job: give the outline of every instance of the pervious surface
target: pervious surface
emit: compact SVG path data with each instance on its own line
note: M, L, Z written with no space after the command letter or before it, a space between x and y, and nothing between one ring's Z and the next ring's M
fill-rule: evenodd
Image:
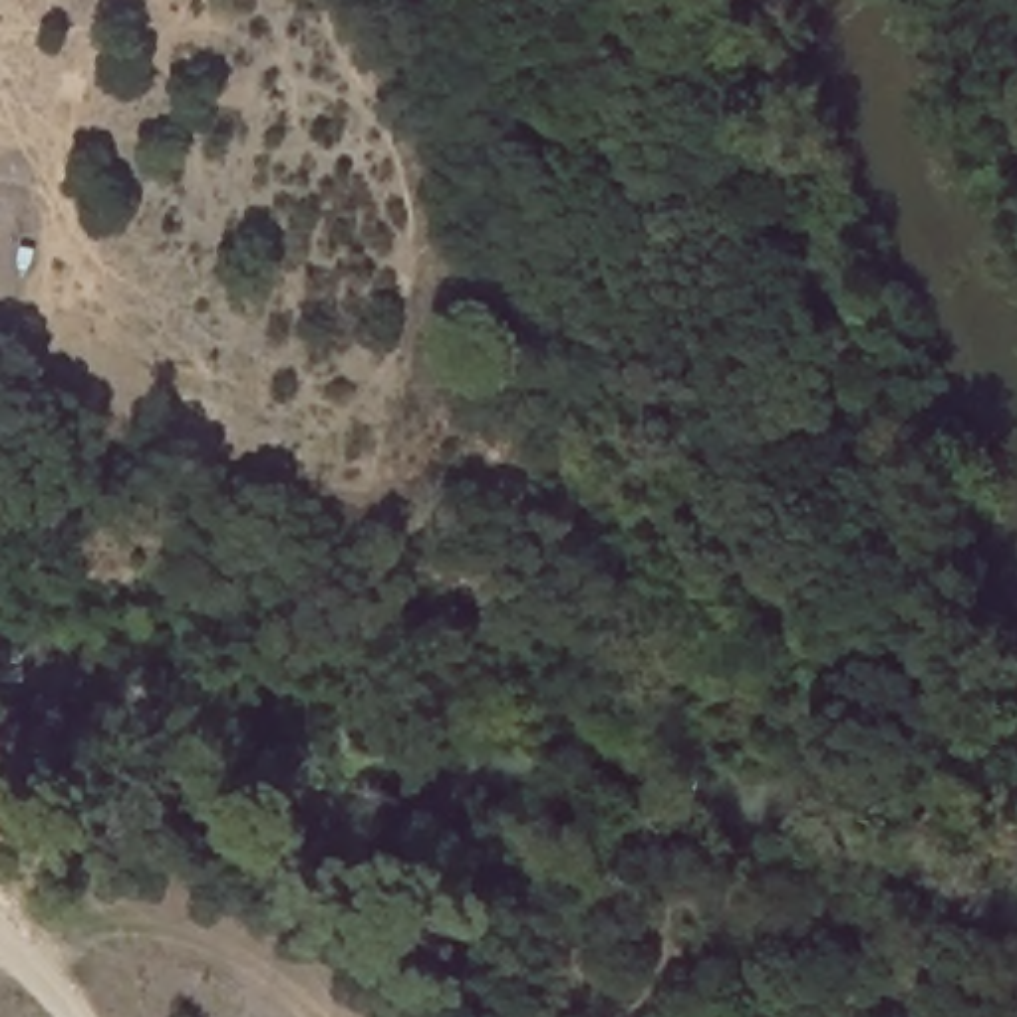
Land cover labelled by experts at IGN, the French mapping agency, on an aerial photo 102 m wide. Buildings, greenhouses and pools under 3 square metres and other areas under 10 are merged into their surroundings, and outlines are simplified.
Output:
M0 969L44 1005L44 1017L95 1017L83 989L68 977L72 961L64 957L64 945L56 938L28 918L16 894L0 886Z
M0 0L0 298L32 302L44 318L52 310L95 298L95 274L83 270L83 258L103 254L95 238L79 226L75 203L64 195L68 159L75 131L99 127L119 99L95 83L95 16L91 0Z

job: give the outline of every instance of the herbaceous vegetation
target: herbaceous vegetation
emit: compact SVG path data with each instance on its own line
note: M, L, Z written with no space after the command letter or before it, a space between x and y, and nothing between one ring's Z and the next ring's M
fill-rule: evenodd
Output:
M330 250L326 250L326 222L314 222L314 230L310 230L310 262L314 262L314 266L338 266L338 262L350 262L350 250L346 250L346 246L330 246Z
M326 965L278 961L274 938L254 938L238 918L199 926L187 906L187 886L167 886L159 902L135 898L127 906L135 914L131 934L79 934L75 926L64 926L56 938L64 945L64 957L72 961L68 977L83 989L95 1017L362 1017L334 1001Z
M151 0L91 0L95 16L123 32L131 44L155 52L155 28L147 16Z
M0 969L0 1017L44 1017L44 1005Z
M222 159L207 159L203 135L191 139L179 123L163 115L171 83L222 87L230 72L226 60L211 48L175 60L171 68L155 68L151 87L143 95L119 99L99 127L75 131L68 159L79 171L107 179L111 199L131 211L127 230L95 238L103 254L83 258L83 270L95 274L95 298L52 310L44 318L52 350L79 358L95 377L111 385L115 413L131 417L131 405L151 389L155 365L175 362L179 397L203 405L203 413L222 425L226 445L234 453L254 453L262 445L290 449L302 473L326 485L346 505L369 505L385 497L393 481L393 465L385 465L389 401L401 397L401 385L413 365L413 354L397 346L389 354L373 354L358 346L310 362L302 338L270 342L270 318L298 310L306 298L306 278L282 270L282 282L266 298L250 298L234 310L226 286L215 278L215 262L218 246L230 250L246 238L262 238L266 258L282 266L286 242L266 211L266 203L274 203L278 195L278 183L254 187L254 159L262 151L262 135L270 123L262 115L250 115L246 123L246 135L230 139ZM183 179L151 179L139 187L131 167L123 163L127 155L135 155L139 139L175 143L187 155Z

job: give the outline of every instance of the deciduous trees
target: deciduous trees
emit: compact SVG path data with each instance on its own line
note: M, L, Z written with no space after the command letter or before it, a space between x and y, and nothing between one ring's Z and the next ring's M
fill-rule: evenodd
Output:
M401 397L389 401L385 465L393 465L393 481L385 497L369 505L346 505L326 485L302 473L290 449L262 445L254 453L234 453L226 445L222 425L203 413L203 405L179 397L175 362L155 365L151 389L131 405L131 417L115 413L111 385L95 377L79 358L52 350L44 318L32 302L0 298L0 886L16 894L28 918L56 938L64 926L75 926L79 934L131 934L135 914L127 906L135 898L159 902L167 886L187 886L187 906L199 926L238 918L254 938L274 938L278 961L326 965L334 1001L362 1017L1017 1017L1017 381L1005 385L997 373L942 377L938 369L945 358L953 358L953 342L949 334L934 334L926 326L938 314L938 302L926 278L902 258L902 250L890 246L890 230L898 230L898 203L894 195L870 183L866 147L858 139L858 79L846 79L850 56L826 40L834 32L834 8L842 0L290 0L294 8L286 32L290 40L310 48L310 79L326 83L334 72L330 52L350 44L354 64L377 79L377 119L389 123L397 143L413 147L409 183L425 211L429 250L417 258L413 290L401 294L405 326L397 346L413 354L413 365L401 385Z
M222 87L171 83L163 115L179 123L191 139L203 135L207 159L222 159L230 139L246 135L246 123L238 111L226 111L218 103Z
M218 246L215 262L215 278L226 286L234 310L250 298L266 298L282 282L282 270L282 266L266 258L262 238L246 238L230 250Z
M250 28L250 36L266 36L266 32L270 32L270 24L262 20L262 8L258 8L254 0L218 0L218 4L222 4L222 8L226 8L226 12L230 12L230 16L234 16L234 20L238 20L242 28Z
M310 135L318 143L338 143L346 131L350 103L330 103L326 115L310 123Z
M151 87L155 68L155 52L131 44L123 32L95 16L95 83L119 99L143 95Z
M306 179L314 163L282 163L278 143L286 139L286 115L274 115L270 123L262 135L262 151L254 159L254 187L278 183L278 195L314 195Z
M79 226L95 238L127 230L131 211L111 199L107 179L79 171L68 159L64 195L75 203Z
M123 163L131 167L139 187L151 179L183 179L187 155L175 143L139 139L135 155L127 155Z
M898 48L898 64L914 75L910 95L898 99L890 115L898 115L902 135L922 147L930 171L926 183L934 187L934 195L945 207L969 207L973 246L965 254L973 258L977 286L1017 310L1017 0L850 0L854 16L870 16L882 24L886 40L894 40Z

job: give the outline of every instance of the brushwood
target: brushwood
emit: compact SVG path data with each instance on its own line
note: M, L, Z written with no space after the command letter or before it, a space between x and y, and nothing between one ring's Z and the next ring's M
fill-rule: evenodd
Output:
M429 250L425 211L409 183L413 147L397 143L389 123L377 119L377 79L354 64L350 44L330 52L334 72L326 83L310 79L310 48L290 40L286 32L294 8L290 0L254 0L258 8L262 8L262 20L270 24L270 32L266 32L266 36L250 36L250 28L242 28L238 20L234 20L234 16L230 16L230 12L226 12L226 8L222 8L222 4L218 4L218 0L151 0L147 16L155 28L155 52L155 68L171 68L175 60L211 48L226 60L230 72L222 87L218 103L226 111L238 111L246 123L250 115L262 115L270 123L274 115L286 115L286 139L278 143L282 163L314 163L306 179L314 195L278 195L274 203L266 203L266 211L286 242L282 266L282 270L306 278L306 298L298 310L270 318L270 342L302 338L310 362L358 346L373 354L389 354L397 346L405 326L401 294L413 290L417 258ZM318 143L310 135L310 123L326 115L330 103L350 103L346 131L338 143ZM314 266L314 262L310 262L310 230L314 230L314 222L326 222L326 250L330 250L330 246L346 246L346 250L350 250L350 262L338 262L338 266Z

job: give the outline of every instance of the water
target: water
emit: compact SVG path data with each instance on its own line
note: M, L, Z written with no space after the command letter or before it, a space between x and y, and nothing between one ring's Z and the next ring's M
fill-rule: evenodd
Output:
M969 207L945 207L934 195L934 187L926 183L930 171L922 147L902 135L898 115L890 115L898 99L910 95L914 75L898 64L898 48L894 40L886 40L882 24L870 16L854 16L850 0L842 0L834 8L834 32L826 40L850 56L846 79L858 79L858 139L866 147L870 183L894 195L898 203L898 230L890 230L890 246L902 250L902 258L926 278L938 302L938 314L926 326L934 334L949 334L953 342L953 358L945 358L938 369L942 377L997 373L1005 385L1017 381L1017 310L977 286L973 258L965 254L973 246Z

